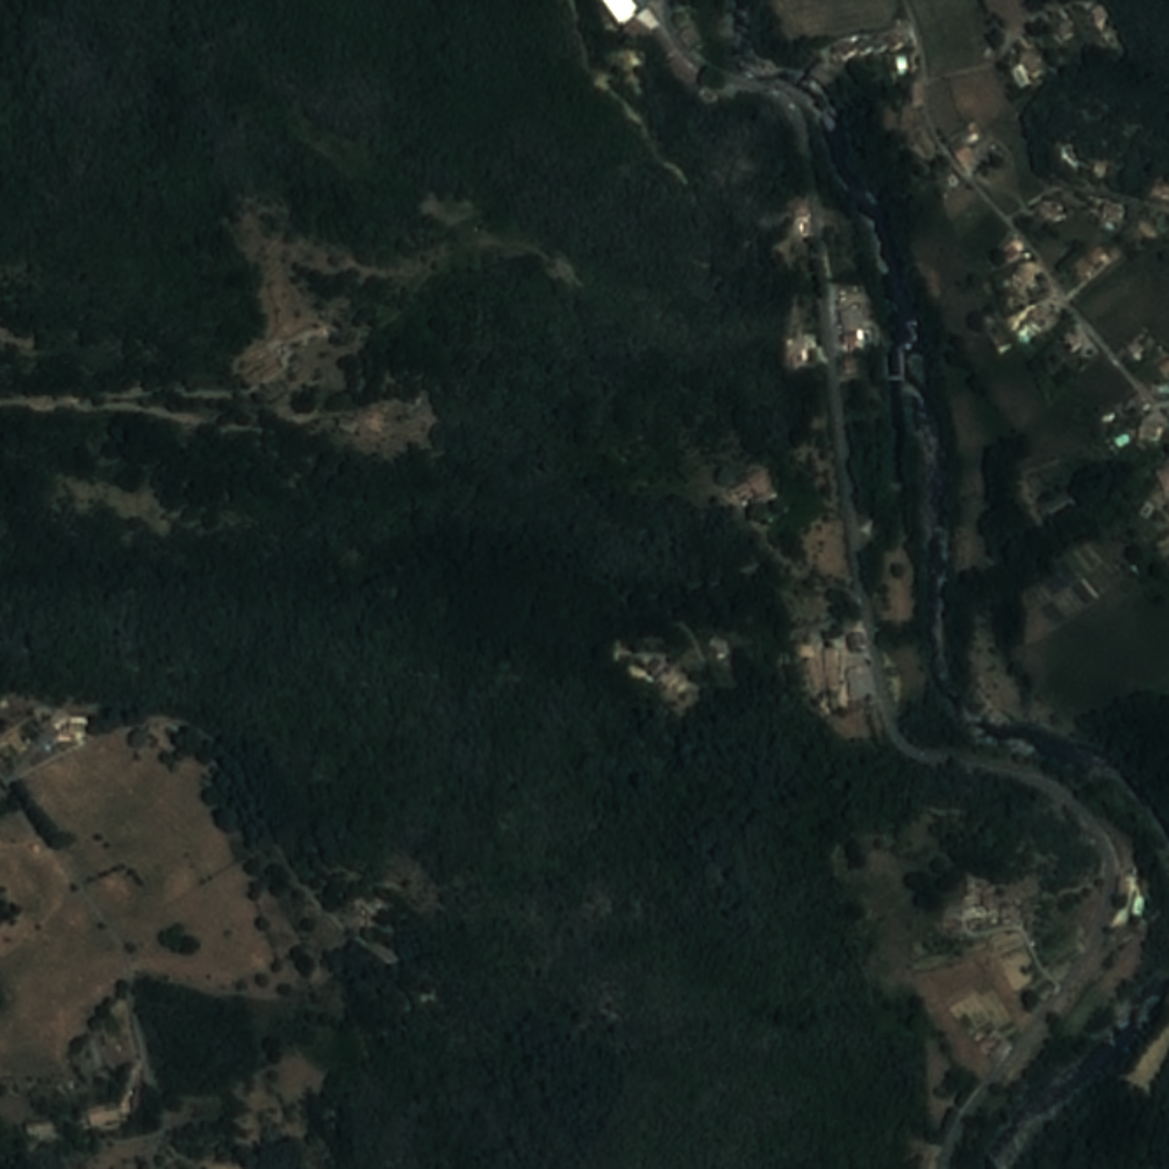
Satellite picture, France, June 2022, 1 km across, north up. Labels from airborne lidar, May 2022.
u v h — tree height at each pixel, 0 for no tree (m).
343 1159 13
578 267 8
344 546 17
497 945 9
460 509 16
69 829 0
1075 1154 12
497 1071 20
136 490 14
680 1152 6
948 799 14
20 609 13
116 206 13
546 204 13
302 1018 9
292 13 12
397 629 12
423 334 16
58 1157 9
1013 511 13
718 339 9
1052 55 13
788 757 17
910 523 13
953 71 0
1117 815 13
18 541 10
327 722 11
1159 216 10
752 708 18
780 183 16
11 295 9
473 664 11
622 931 8
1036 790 15
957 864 14
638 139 8
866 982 14
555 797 8
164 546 10
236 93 6
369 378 11
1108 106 7
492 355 12
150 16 13
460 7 11
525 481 9
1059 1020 12
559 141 10
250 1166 25
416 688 8
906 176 14
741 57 0
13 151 8
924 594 12
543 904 9
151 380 14
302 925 8
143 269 6
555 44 12
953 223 0
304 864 13
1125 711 15
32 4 16
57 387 15
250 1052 9
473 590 11
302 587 16
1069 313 7
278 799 30
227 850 0
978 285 11
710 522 7
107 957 0
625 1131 12
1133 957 0
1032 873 8
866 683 0
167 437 20
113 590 17
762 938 15
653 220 10
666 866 20
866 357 8
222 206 9
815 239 15
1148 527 0
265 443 14
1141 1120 10
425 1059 9
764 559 8
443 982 10
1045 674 0
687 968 14
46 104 11
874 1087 16
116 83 18
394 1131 7
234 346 7
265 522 7
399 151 8
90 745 0
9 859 0
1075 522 20
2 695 8
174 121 19
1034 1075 14
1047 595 0
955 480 6
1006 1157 0
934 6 0
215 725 10
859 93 7
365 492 16
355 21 7
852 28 0
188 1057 6
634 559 13
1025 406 0
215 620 15
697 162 8
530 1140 9
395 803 12
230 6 12
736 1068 12
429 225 13
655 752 18
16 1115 0
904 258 21
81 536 7
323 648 12
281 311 0
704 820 21
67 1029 0
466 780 9
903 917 0
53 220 11
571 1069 27
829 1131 18
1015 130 0
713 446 6
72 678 10
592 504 11
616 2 0
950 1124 17
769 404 10
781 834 13
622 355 11
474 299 16
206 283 13
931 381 16
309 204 14
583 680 12
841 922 15
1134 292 0
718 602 16
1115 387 0
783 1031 17
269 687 10
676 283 11
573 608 11
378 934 13
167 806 0
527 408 11
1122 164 10
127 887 0
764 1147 16
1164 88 15
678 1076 10
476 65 11
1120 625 0
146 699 7
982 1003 0
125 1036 0
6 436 14
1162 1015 18
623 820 18
